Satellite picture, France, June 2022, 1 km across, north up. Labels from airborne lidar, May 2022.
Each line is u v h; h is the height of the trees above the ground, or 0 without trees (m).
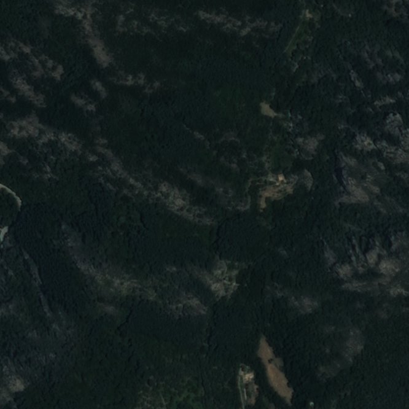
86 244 25
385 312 6
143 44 12
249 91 17
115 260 14
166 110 34
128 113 15
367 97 10
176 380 12
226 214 12
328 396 13
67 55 25
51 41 12
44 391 8
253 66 25
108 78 6
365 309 7
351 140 14
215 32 16
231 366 18
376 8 15
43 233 29
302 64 16
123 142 12
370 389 14
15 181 14
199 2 18
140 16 15
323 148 14
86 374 19
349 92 12
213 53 22
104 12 8
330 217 13
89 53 13
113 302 14
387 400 9
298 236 9
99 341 21
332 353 12
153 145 18
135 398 6
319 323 10
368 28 21
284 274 13
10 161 9
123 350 31
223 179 11
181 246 41
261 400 11
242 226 35
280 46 34
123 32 9
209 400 8
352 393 11
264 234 17
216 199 12
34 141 11
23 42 7
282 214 17
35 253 28
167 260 29
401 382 13
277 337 15
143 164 12
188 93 22
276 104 13
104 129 10
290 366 12
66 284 32
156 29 11
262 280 12
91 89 12
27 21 6
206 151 19
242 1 14
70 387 13
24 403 20
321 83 12
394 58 9
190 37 13
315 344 13
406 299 12
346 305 9
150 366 11
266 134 9
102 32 6
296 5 25
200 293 36
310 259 7
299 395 9
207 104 40
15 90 10
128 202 12
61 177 13
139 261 33
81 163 13
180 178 15
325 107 14
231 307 26
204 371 14
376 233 7
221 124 13
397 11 14
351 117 16
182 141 32
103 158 9
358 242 11
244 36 8
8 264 7
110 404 18
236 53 19
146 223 35
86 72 21
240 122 10
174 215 16
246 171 11
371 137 12
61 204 15
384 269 0
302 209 13
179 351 12
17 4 20
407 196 10
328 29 12
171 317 25
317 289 11
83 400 17
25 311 7
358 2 9
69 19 8
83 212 16
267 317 7
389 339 21
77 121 12
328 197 14
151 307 27
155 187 13
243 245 40
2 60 7
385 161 9
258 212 15
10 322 7
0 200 17
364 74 18
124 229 11
